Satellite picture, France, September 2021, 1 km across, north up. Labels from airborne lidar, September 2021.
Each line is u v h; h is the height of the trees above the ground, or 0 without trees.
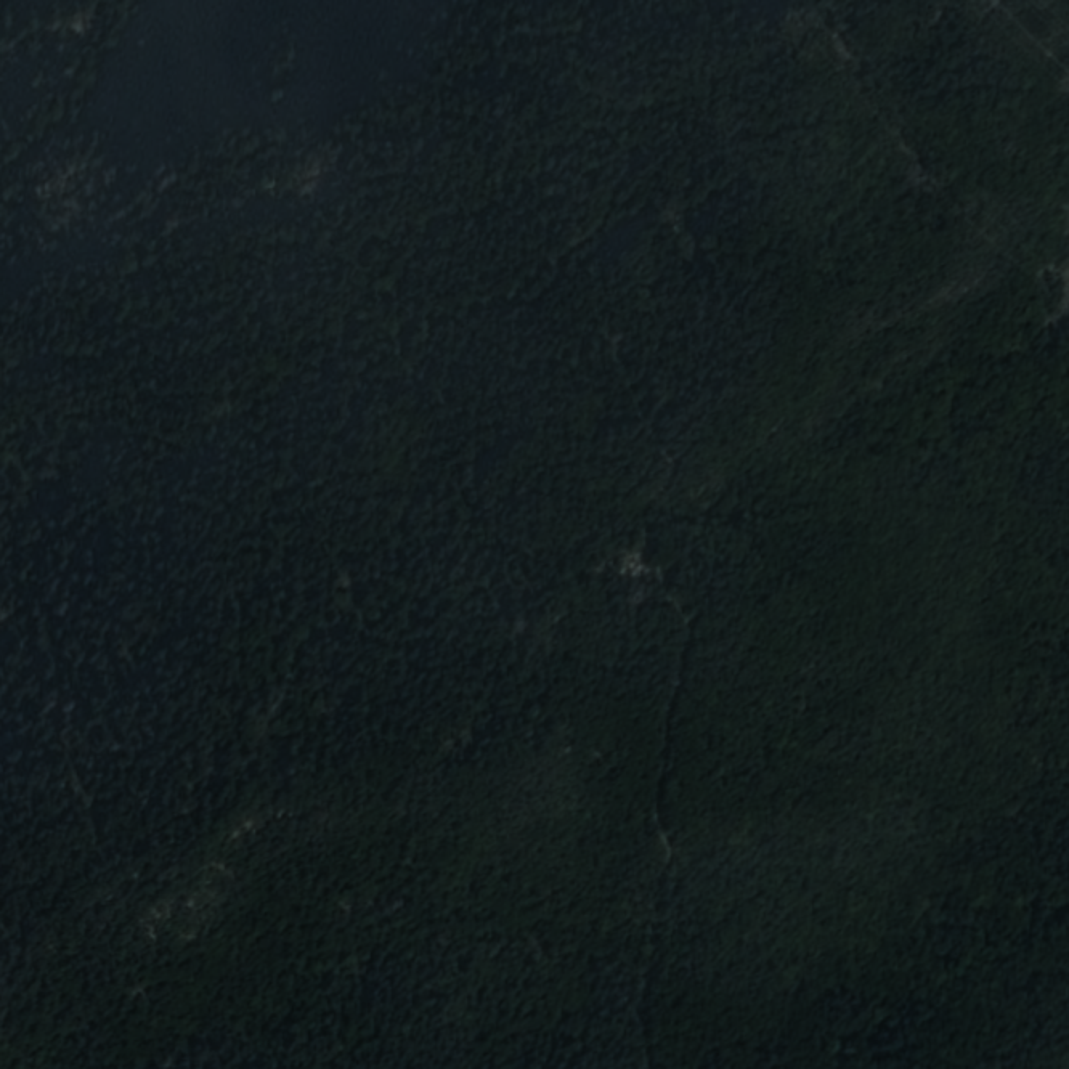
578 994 21
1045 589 24
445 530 28
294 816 23
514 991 28
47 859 16
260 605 27
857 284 12
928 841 23
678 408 24
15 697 31
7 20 36
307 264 22
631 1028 28
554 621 14
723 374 32
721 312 27
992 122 19
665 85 22
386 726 30
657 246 25
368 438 21
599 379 24
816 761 10
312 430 24
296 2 34
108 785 15
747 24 17
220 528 27
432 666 34
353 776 20
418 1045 20
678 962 20
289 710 32
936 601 19
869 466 26
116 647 29
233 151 24
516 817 15
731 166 23
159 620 18
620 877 18
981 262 13
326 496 7
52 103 34
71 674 25
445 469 24
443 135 25
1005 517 24
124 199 8
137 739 22
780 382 15
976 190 23
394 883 20
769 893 17
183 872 24
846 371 15
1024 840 26
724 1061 28
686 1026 25
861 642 18
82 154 27
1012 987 17
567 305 27
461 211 16
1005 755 16
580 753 18
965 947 30
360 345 28
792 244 26
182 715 22
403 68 19
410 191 20
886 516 22
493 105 31
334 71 32
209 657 22
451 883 23
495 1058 26
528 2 22
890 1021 27
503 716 21
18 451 12
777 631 18
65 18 13
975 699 19
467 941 21
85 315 10
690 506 26
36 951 22
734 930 18
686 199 16
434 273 22
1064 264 18
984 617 17
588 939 21
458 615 25
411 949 24
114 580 30
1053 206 18
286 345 25
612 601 25
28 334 17
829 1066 32
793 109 25
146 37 30
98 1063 11
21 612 18
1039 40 9
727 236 18
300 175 17
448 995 19
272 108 19
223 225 20
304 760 24
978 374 22
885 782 18
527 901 20
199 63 31
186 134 27
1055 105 19
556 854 15
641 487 20
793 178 25
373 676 27
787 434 23
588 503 19
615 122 31
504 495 18
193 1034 15
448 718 20
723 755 19
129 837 16
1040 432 29
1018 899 28
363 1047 22
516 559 12
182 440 11
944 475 19
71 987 18
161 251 31
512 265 30
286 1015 13
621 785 21
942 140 25
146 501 24
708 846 21
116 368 17
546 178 9
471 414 13
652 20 17
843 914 22
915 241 21
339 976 20
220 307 20
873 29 24
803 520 29
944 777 17
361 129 13
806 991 31
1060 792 23
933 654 14
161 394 25
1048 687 16
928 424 30
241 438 13
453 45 23
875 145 20
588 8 22
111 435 8
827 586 23
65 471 12
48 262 11
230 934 16
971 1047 17
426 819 20
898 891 23
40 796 16
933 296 13
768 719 15
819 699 13
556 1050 27
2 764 28
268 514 26
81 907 16
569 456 31
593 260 15
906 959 26
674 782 29
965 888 30
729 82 26
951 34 31
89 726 26
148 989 12
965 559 21
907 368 15
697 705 16
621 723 24
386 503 33
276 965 14
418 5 39
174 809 27
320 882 24
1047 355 22
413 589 36
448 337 30
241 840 12
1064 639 21
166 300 17
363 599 29
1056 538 23
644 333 26
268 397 19
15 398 15
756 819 20
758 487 23
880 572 21
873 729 13
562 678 29
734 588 19
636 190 29
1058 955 19
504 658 16
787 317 25
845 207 30
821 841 16
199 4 43
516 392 21
